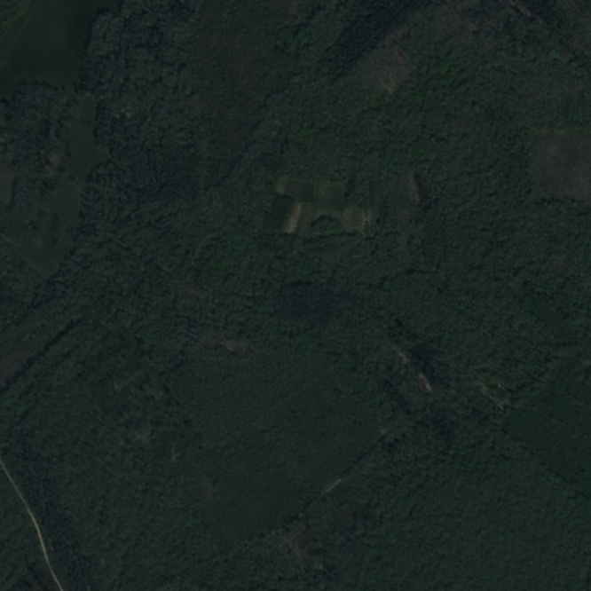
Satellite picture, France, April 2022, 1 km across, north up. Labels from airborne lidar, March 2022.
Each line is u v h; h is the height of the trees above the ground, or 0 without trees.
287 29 13
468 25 28
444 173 26
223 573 25
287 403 17
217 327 21
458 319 22
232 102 15
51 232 0
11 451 18
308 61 21
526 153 21
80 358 24
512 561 24
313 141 18
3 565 24
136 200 27
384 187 15
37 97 23
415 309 25
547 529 26
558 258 25
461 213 25
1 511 31
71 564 25
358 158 16
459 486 24
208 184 17
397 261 22
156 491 23
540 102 24
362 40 20
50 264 0
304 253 25
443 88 16
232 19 18
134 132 24
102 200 23
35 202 25
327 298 27
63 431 24
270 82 14
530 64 23
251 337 27
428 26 25
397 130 13
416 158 21
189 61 14
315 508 24
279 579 26
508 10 24
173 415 11
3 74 0
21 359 0
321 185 14
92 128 0
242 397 18
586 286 23
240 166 24
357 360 23
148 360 25
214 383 18
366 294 29
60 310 26
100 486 24
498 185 24
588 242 25
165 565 25
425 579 24
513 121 21
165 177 24
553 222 27
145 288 29
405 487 28
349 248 20
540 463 21
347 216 0
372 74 23
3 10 27
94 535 27
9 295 23
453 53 21
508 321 27
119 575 25
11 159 20
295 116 19
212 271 26
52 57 0
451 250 22
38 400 23
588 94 21
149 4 21
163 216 18
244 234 20
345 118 14
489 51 27
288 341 22
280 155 21
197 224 24
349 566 26
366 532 28
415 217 8
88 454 24
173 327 20
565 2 25
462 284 22
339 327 19
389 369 13
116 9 0
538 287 23
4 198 0
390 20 22
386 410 21
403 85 21
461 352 26
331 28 21
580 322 26
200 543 23
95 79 22
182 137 32
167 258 24
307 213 0
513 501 22
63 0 0
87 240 24
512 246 25
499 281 16
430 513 23
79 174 0
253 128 16
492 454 20
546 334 21
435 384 29
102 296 29
